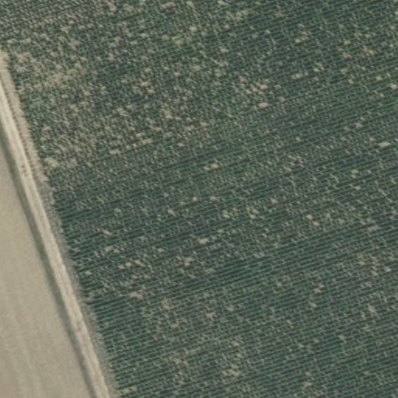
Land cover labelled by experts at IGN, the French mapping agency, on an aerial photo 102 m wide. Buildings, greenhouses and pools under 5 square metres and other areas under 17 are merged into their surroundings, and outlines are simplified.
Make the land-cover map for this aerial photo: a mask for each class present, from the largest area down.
<instances>
[{"label":"vineyard","instance_id":"1","mask_svg":"<svg viewBox=\"0 0 398 398\"><path fill-rule=\"evenodd\" d=\"M0 50L8 54V72L14 82L23 117L28 123L31 140L39 155L42 173L47 177L50 187L54 188V210L61 218L64 239L67 241V253L62 257L64 260L68 258L76 264L84 263V267L76 266L73 269L81 286L79 294L76 295L78 297H89L93 300L87 306L96 314L99 333L103 334L104 347L109 354L112 372L118 384L117 389H127L129 392L124 398H398V0H0Z\"/></svg>","mask_w":398,"mask_h":398},{"label":"plowed land","instance_id":"2","mask_svg":"<svg viewBox=\"0 0 398 398\"><path fill-rule=\"evenodd\" d=\"M87 389L79 372L75 353L59 319L58 308L45 278L44 267L34 247L33 236L20 208L8 165L0 148V398H86Z\"/></svg>","mask_w":398,"mask_h":398},{"label":"herbaceous vegetation","instance_id":"3","mask_svg":"<svg viewBox=\"0 0 398 398\"><path fill-rule=\"evenodd\" d=\"M8 54L0 50V84L62 257L67 253V241L64 239L61 218L54 210V188L50 187L47 177L42 173L39 155L31 140L28 123L23 117L14 82L8 72ZM0 148L8 165L20 208L33 236L34 247L44 267L45 278L58 308L59 319L75 353L79 372L87 389L86 398H98L0 120ZM76 295L79 294L81 286L73 269L76 266L84 267V263L76 264L68 258L64 260ZM93 348L109 387V395L106 398H124L129 392L127 389H117L118 384L112 372L109 354L104 347L103 334L99 333L96 314L87 306L93 300L89 297H78Z\"/></svg>","mask_w":398,"mask_h":398},{"label":"pervious surface","instance_id":"4","mask_svg":"<svg viewBox=\"0 0 398 398\"><path fill-rule=\"evenodd\" d=\"M0 120L98 398H106L109 395V387L93 348L78 297L76 295L64 260L62 257L0 84Z\"/></svg>","mask_w":398,"mask_h":398}]
</instances>
